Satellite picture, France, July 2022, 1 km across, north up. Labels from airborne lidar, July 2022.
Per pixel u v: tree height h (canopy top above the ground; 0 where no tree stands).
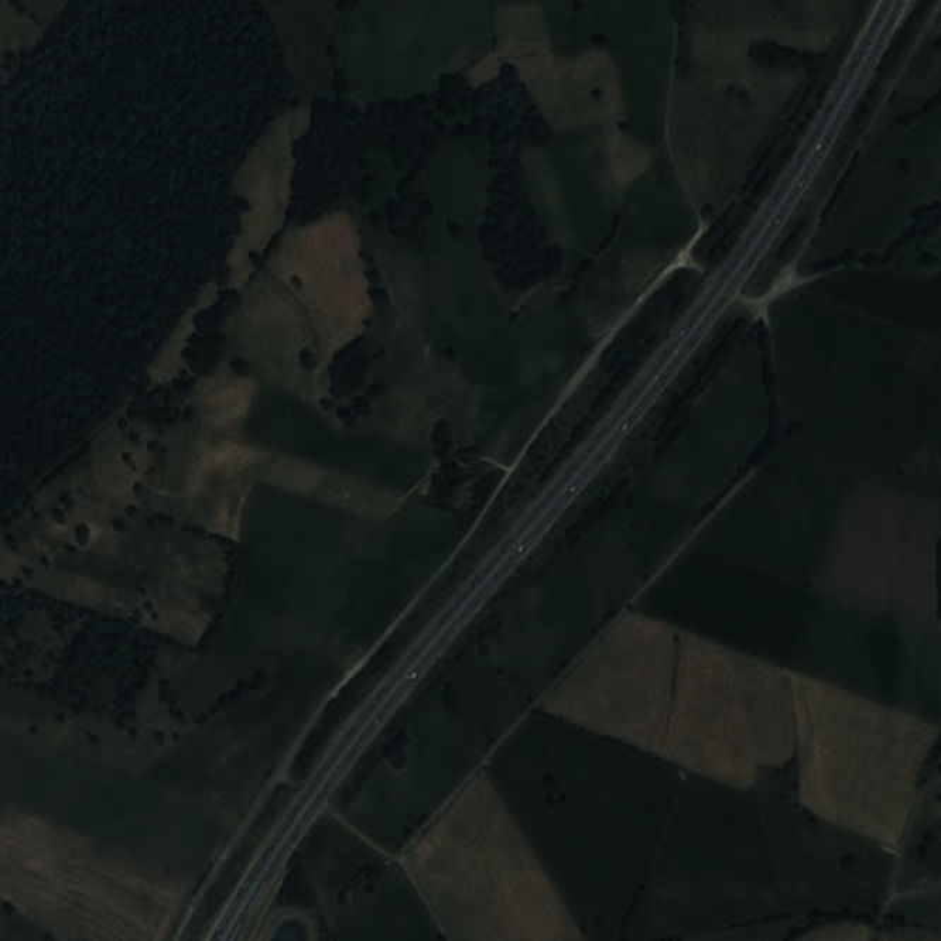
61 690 16
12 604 14
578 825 0
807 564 0
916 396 0
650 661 0
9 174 27
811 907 0
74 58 27
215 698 0
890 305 0
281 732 0
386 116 15
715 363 10
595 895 0
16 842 0
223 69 17
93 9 19
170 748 0
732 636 0
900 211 0
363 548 0
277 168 0
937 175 0
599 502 9
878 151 0
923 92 0
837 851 0
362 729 0
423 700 0
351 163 17
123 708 9
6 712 0
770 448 18
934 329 0
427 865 0
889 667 0
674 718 0
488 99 20
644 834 0
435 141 14
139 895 0
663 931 0
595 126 0
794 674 0
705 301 0
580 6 16
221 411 0
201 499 0
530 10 0
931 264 19
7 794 0
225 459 0
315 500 0
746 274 0
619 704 0
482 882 0
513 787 0
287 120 0
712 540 0
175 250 24
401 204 11
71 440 14
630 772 0
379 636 0
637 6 0
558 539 0
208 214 26
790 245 8
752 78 0
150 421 8
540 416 0
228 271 16
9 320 21
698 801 0
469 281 0
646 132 0
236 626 0
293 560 0
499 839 0
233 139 23
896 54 7
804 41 0
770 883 0
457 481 6
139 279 20
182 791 0
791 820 0
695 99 0
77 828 0
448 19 0
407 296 0
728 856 0
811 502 0
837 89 0
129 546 0
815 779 0
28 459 17
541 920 0
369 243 0
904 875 0
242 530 0
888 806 0
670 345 0
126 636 12
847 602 0
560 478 0
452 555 0
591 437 0
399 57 0
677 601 0
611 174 0
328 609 0
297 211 16
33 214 26
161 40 16
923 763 0
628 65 0
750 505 0
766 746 0
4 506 16
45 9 0
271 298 0
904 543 0
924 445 0
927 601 0
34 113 25
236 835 0
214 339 17
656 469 0
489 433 0
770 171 7
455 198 0
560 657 0
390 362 0
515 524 0
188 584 0
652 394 0
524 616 0
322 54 0
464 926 0
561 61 0
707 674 0
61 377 23
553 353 0
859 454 0
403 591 0
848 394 0
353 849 0
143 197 17
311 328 0
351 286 0
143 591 10
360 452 0
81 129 19
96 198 15
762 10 0
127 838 0
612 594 0
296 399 0
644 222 0
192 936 0
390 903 0
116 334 22
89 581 0
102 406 24
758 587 0
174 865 0
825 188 0
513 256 17
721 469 0
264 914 0
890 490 0
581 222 0
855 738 0
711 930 0
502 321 0
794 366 0
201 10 17
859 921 10
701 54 0
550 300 0
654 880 0
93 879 0
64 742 0
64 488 0
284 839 0
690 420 7
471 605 0
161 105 17
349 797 0
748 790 0
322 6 0
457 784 0
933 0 7
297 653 0
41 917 0
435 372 0
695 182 0
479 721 0
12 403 20
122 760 0
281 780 0
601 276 0
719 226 7
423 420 0
